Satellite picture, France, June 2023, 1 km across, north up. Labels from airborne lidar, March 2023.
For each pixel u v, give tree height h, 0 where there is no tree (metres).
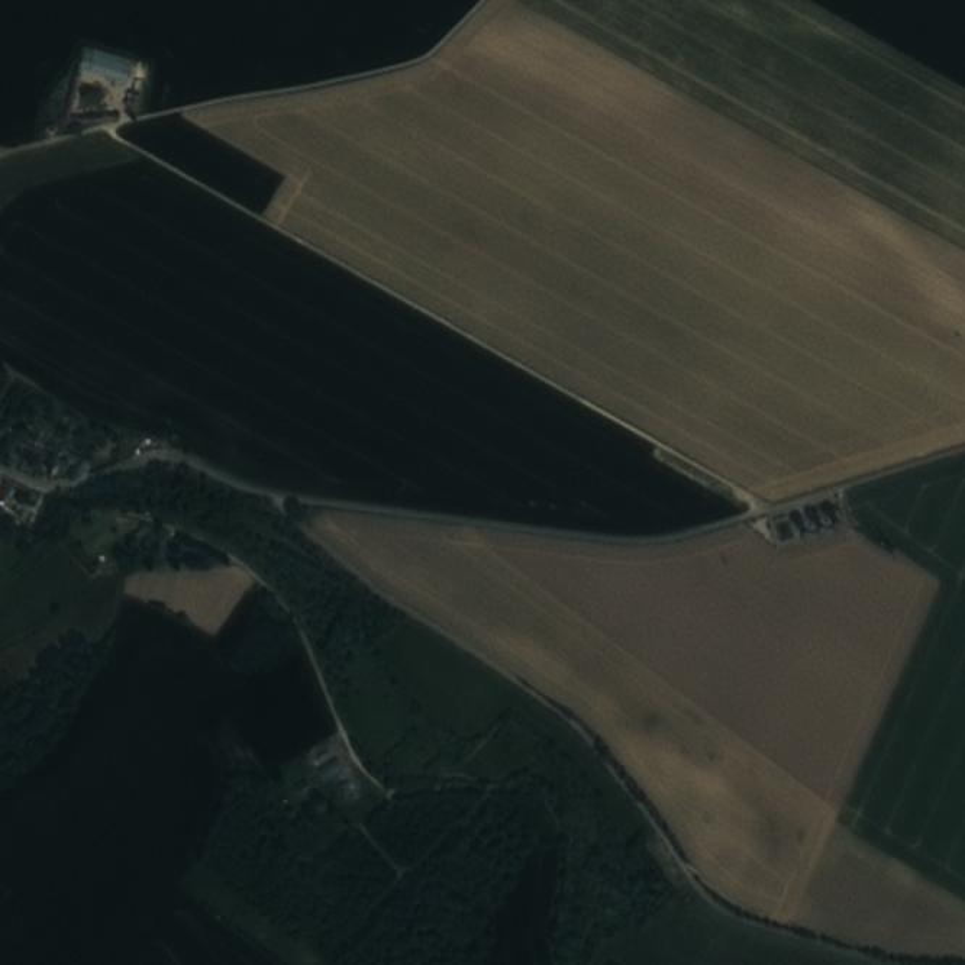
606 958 0
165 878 0
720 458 0
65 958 0
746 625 0
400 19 0
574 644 0
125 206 0
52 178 0
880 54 0
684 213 0
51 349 0
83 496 10
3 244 0
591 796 14
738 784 0
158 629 0
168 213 0
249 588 0
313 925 16
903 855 0
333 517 0
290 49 0
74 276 0
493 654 0
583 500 0
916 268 0
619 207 0
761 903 0
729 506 0
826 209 0
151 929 0
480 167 0
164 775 0
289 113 0
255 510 12
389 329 0
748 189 0
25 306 0
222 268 0
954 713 0
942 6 0
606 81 0
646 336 0
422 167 0
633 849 9
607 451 0
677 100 0
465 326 0
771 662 0
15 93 0
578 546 0
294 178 0
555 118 0
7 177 0
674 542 0
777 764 0
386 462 0
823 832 0
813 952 0
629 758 0
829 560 0
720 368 0
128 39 0
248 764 0
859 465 0
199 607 0
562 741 0
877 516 0
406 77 0
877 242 0
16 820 0
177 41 0
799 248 0
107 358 0
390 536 0
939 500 0
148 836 0
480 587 0
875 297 0
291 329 0
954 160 0
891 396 0
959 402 0
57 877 0
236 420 0
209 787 0
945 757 0
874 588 0
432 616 0
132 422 0
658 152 0
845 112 0
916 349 0
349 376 0
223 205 0
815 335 0
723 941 0
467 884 14
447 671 0
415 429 0
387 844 13
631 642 0
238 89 0
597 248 0
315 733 0
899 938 0
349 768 0
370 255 0
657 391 0
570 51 0
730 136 0
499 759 0
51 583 0
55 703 21
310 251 0
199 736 0
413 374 0
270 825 24
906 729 0
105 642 7
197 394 0
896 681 0
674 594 0
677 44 0
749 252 0
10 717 9
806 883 0
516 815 10
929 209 0
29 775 0
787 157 0
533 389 0
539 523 0
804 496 0
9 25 0
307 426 0
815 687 0
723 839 0
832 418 0
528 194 0
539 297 0
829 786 0
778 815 0
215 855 17
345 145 0
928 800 0
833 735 0
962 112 0
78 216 0
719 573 0
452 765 7
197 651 0
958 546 0
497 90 0
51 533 18
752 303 0
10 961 0
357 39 0
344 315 0
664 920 0
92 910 0
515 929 0
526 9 0
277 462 0
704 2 0
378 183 0
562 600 0
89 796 0
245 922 0
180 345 0
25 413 10
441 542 0
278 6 0
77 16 0
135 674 0
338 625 13
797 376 0
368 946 18
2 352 0
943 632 0
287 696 0
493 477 0
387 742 0
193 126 0
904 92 0
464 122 0
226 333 0
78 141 0
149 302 0
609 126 0
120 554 19
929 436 0
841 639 0
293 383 0
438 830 11
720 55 0
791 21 0
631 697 0
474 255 0
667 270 0
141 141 0
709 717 0
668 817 0
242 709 0
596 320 0
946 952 0
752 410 0
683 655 0
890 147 0
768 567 0
